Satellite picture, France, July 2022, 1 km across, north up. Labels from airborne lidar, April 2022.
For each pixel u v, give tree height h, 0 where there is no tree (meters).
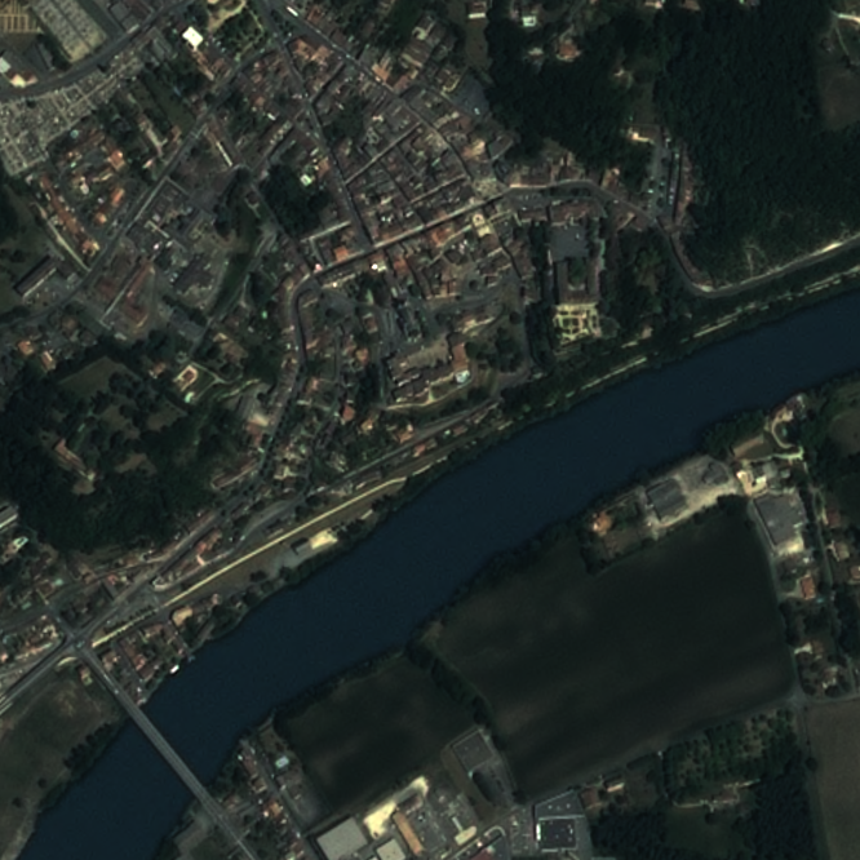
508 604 0
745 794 0
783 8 15
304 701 12
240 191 11
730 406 0
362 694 0
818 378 0
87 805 0
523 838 0
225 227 25
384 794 0
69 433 15
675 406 0
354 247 0
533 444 0
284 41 0
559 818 0
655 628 0
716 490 0
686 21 14
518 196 0
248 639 0
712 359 0
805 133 11
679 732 0
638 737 0
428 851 0
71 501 13
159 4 0
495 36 20
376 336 0
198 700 0
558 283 0
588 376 12
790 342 0
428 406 0
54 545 21
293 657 0
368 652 0
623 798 9
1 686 0
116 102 7
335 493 0
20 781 0
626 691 0
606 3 7
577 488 0
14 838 0
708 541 0
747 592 0
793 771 18
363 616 0
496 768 0
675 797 20
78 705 0
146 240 0
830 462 18
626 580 0
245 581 0
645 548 6
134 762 0
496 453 0
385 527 0
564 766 0
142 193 0
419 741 0
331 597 0
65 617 12
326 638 0
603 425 0
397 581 0
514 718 0
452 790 0
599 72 20
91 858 0
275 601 0
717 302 6
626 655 0
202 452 15
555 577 0
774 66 22
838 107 0
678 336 15
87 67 0
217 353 12
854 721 0
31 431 30
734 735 11
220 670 0
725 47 18
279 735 11
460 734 0
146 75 8
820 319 0
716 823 12
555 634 0
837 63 0
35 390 29
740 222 13
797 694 0
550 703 0
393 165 0
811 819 17
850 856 0
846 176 17
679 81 8
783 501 0
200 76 9
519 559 17
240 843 0
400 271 0
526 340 0
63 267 0
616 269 15
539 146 11
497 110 11
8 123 0
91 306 0
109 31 0
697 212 19
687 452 0
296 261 0
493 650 0
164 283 0
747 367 0
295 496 11
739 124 16
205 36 0
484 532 0
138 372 11
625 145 8
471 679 0
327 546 0
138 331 0
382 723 0
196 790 0
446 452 0
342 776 0
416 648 18
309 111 0
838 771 0
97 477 9
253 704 0
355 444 8
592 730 0
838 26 0
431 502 0
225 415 11
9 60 0
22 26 0
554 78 10
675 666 0
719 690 0
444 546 0
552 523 0
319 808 0
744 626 0
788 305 9
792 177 15
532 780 0
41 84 0
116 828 0
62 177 0
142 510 12
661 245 24
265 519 0
